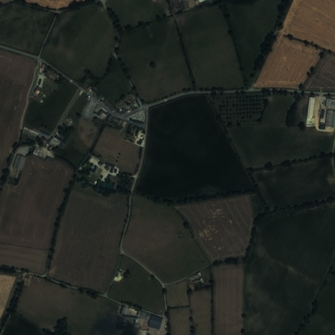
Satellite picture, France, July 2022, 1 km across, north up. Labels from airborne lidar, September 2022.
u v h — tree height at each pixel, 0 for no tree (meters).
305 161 11
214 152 0
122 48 0
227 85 0
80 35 0
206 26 0
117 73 0
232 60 0
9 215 0
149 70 0
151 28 0
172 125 0
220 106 7
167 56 0
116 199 0
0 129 0
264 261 0
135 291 0
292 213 0
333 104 0
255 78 13
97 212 0
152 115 0
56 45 0
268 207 13
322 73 0
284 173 0
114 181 0
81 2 13
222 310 0
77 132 0
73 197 0
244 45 0
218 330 0
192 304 0
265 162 0
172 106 0
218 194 13
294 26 0
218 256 0
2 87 0
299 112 0
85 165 8
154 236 0
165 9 0
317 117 0
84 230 0
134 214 0
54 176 0
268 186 0
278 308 0
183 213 0
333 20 0
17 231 0
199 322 0
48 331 7
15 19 0
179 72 0
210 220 0
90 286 0
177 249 0
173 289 0
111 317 0
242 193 8
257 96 8
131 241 0
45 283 0
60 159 7
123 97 11
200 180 0
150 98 0
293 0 0
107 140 0
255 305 0
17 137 0
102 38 0
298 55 0
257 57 0
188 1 0
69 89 0
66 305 0
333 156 6
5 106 0
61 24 0
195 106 0
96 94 0
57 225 18
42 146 17
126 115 0
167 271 0
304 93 15
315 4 0
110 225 0
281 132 0
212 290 7
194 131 0
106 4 0
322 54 14
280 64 0
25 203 0
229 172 0
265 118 0
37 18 0
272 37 20
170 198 0
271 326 0
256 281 0
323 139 0
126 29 17
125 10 0
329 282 0
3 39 0
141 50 0
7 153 0
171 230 0
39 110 0
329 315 0
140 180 0
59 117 0
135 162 0
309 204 17
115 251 0
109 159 0
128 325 0
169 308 9
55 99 0
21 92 0
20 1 11
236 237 0
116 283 0
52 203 0
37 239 0
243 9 0
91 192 0
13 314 14
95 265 0
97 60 0
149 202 0
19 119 0
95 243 0
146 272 0
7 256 0
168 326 15
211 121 0
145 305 0
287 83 0
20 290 11
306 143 0
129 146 0
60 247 0
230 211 0
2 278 0
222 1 18
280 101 0
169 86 0
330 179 0
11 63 0
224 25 0
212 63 0
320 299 0
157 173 0
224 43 0
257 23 0
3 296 0
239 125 16
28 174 0
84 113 0
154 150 0
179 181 0
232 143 9
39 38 0
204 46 0
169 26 0
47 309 0
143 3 0
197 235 0
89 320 0
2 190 10
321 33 0
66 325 6
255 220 11
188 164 0
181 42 9
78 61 0
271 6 0
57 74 5
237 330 0
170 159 0
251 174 8
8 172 15
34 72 0
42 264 0
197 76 0
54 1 0
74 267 0
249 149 0
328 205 0
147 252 0
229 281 0
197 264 0
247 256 9
